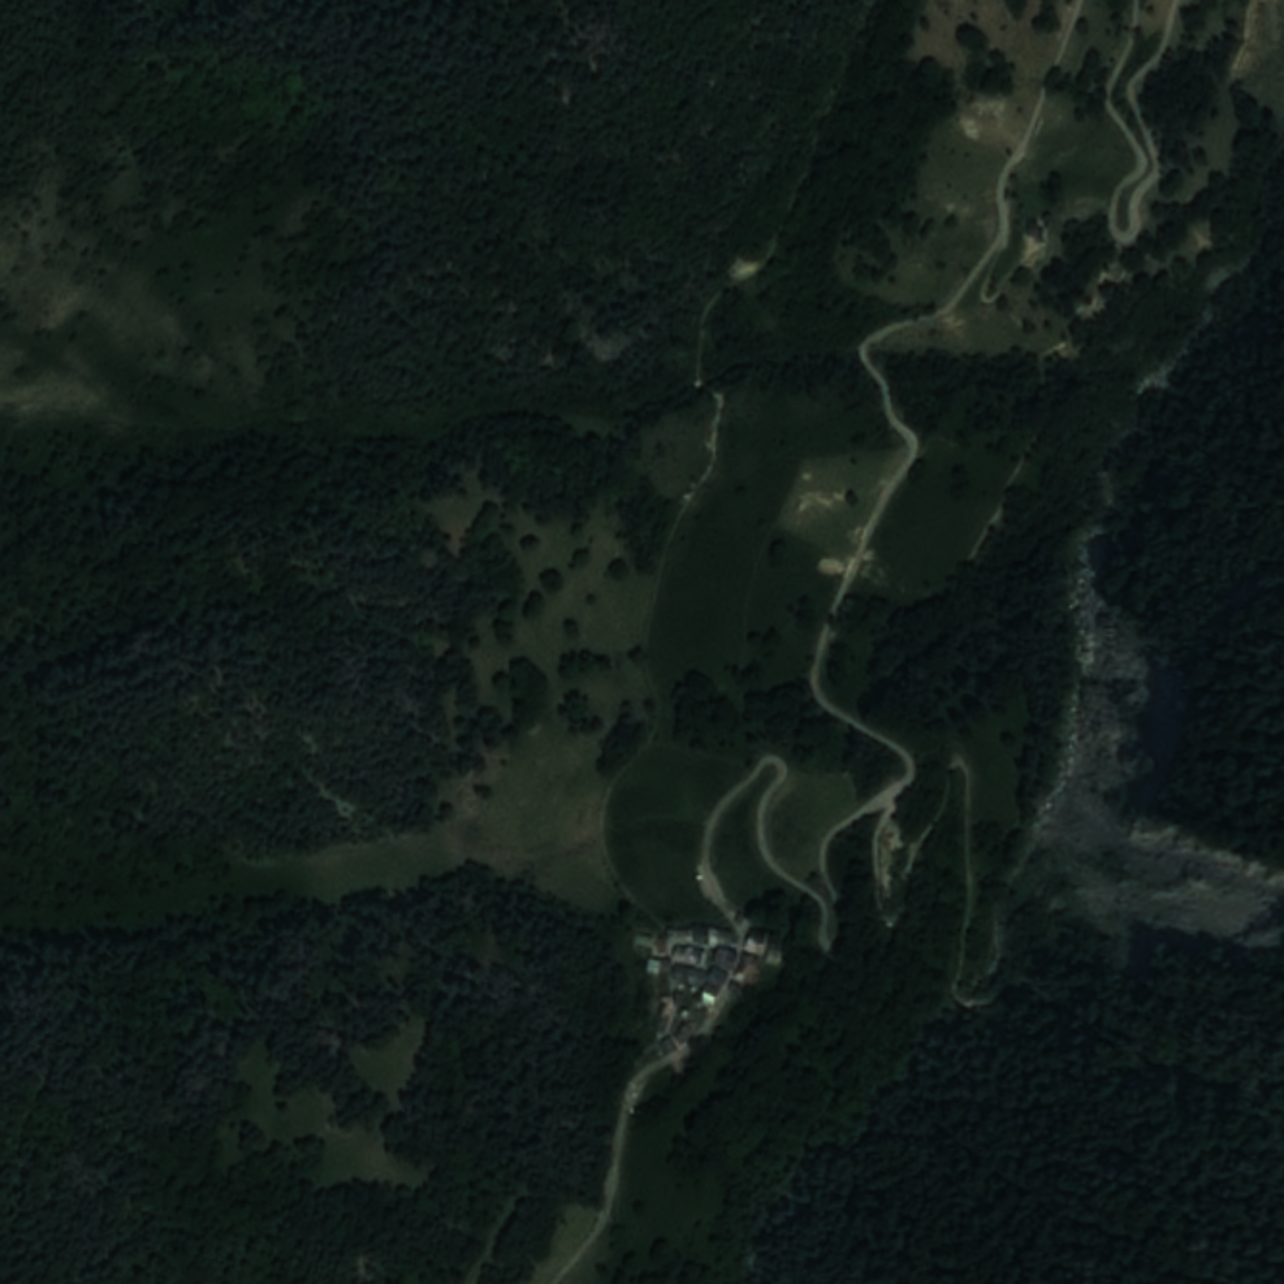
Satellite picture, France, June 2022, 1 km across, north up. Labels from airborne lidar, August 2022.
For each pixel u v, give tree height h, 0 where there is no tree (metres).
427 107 15
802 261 18
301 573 11
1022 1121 23
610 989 10
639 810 0
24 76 8
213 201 7
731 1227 12
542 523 12
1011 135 0
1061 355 17
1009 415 11
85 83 18
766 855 0
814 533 0
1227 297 16
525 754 0
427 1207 22
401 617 23
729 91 19
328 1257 23
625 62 21
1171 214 14
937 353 10
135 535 13
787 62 18
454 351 25
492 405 9
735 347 16
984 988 8
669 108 19
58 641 23
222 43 26
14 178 13
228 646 23
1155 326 6
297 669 16
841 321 8
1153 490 9
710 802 0
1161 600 10
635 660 16
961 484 11
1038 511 18
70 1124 17
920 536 0
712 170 16
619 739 17
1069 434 17
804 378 13
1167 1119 20
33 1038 24
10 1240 14
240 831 26
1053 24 27
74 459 11
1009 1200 31
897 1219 24
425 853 0
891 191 17
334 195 10
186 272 11
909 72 13
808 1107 24
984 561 10
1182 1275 19
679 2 18
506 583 20
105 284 8
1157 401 20
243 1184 13
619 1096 15
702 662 0
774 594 0
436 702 23
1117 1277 23
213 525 10
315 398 9
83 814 20
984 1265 26
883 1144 32
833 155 17
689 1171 8
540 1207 21
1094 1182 25
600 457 19
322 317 15
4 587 11
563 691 0
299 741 17
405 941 9
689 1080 15
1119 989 19
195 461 11
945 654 23
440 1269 22
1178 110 25
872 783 12
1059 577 18
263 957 9
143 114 9
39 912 11
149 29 22
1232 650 18
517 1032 19
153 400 9
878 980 25
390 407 18
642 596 0
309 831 17
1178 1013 25
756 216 21
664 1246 19
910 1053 26
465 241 18
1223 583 20
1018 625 21
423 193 12
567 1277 0
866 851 16
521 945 7
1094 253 22
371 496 18
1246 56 0
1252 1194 24
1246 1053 34
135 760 33
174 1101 32
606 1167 17
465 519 0
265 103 11
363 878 0
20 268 7
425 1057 11
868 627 23
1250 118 24
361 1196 26
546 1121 26
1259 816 21
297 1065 25
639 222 20
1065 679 28
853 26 21
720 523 0
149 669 35
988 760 0
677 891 0
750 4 16
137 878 13
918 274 0
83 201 13
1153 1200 22
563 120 24
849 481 0
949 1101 21
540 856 0
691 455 0
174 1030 12
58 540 11
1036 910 7
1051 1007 26
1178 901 0
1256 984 11
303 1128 0
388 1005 26
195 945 17
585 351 25
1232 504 12
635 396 14
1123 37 10
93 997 30
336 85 24
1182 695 8
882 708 29
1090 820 0
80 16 10
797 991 25
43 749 19
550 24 18
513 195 24
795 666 0
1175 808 14
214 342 0
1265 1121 24
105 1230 22
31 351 0
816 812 0
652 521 19
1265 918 0
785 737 24
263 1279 18
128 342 0
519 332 20
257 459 13
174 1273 14
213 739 6
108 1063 11
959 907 19
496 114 23
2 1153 21
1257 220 16
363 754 16
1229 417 19
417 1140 20
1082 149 0
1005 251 0
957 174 0
